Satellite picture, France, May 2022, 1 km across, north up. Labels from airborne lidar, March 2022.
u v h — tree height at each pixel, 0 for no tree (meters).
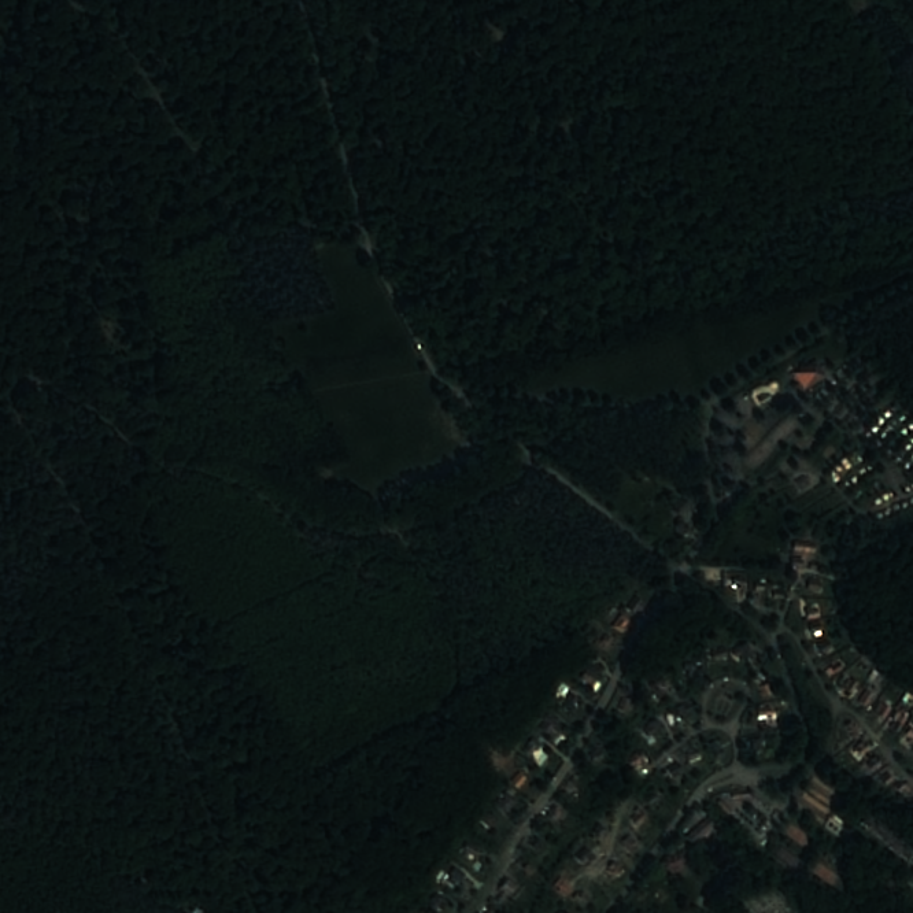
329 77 27
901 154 27
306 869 29
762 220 30
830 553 14
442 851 24
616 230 28
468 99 26
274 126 24
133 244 32
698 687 12
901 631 28
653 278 29
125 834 30
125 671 29
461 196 19
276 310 31
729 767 0
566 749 9
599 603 21
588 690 9
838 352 0
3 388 25
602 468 26
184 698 30
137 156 27
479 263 36
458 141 25
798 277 29
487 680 30
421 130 27
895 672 28
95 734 27
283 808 33
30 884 15
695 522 13
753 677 12
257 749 30
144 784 28
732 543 0
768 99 28
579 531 23
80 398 26
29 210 26
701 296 30
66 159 16
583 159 27
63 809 26
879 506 0
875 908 21
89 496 24
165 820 25
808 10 31
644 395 0
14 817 28
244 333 22
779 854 0
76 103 25
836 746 0
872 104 25
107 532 27
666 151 27
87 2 27
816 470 0
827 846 15
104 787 28
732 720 0
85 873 18
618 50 31
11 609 30
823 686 0
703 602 25
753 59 32
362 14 27
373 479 0
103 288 27
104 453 35
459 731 34
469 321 13
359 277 0
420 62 26
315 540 25
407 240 28
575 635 22
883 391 14
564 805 8
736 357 0
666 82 24
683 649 16
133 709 25
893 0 16
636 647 26
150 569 33
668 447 29
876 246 28
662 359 0
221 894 26
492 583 19
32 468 28
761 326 0
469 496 25
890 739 0
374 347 0
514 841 0
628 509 0
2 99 29
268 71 26
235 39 24
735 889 28
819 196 29
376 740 26
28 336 28
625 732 20
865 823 0
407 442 0
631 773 19
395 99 26
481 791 28
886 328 17
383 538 21
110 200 30
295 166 24
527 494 26
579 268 34
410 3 29
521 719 31
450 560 24
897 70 28
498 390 19
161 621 26
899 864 18
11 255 26
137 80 22
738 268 27
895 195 32
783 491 0
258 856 30
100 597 28
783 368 0
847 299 0
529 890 0
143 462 32
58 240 13
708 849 21
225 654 28
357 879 27
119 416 28
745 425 0
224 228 29
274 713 24
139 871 16
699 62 31
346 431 0
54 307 15
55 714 27
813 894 23
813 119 29
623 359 0
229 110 21
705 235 28
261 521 0
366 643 21
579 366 0
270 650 22
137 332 25
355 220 20
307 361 0
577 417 24
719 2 29
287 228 25
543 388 0
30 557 27
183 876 28
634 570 27
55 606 28
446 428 0
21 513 28
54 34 27
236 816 33
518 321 33
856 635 29
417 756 36
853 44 27
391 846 34
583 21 29
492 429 24
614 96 29
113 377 8
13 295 25
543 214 25
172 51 26
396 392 0
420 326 31
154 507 14
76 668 29
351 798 34
